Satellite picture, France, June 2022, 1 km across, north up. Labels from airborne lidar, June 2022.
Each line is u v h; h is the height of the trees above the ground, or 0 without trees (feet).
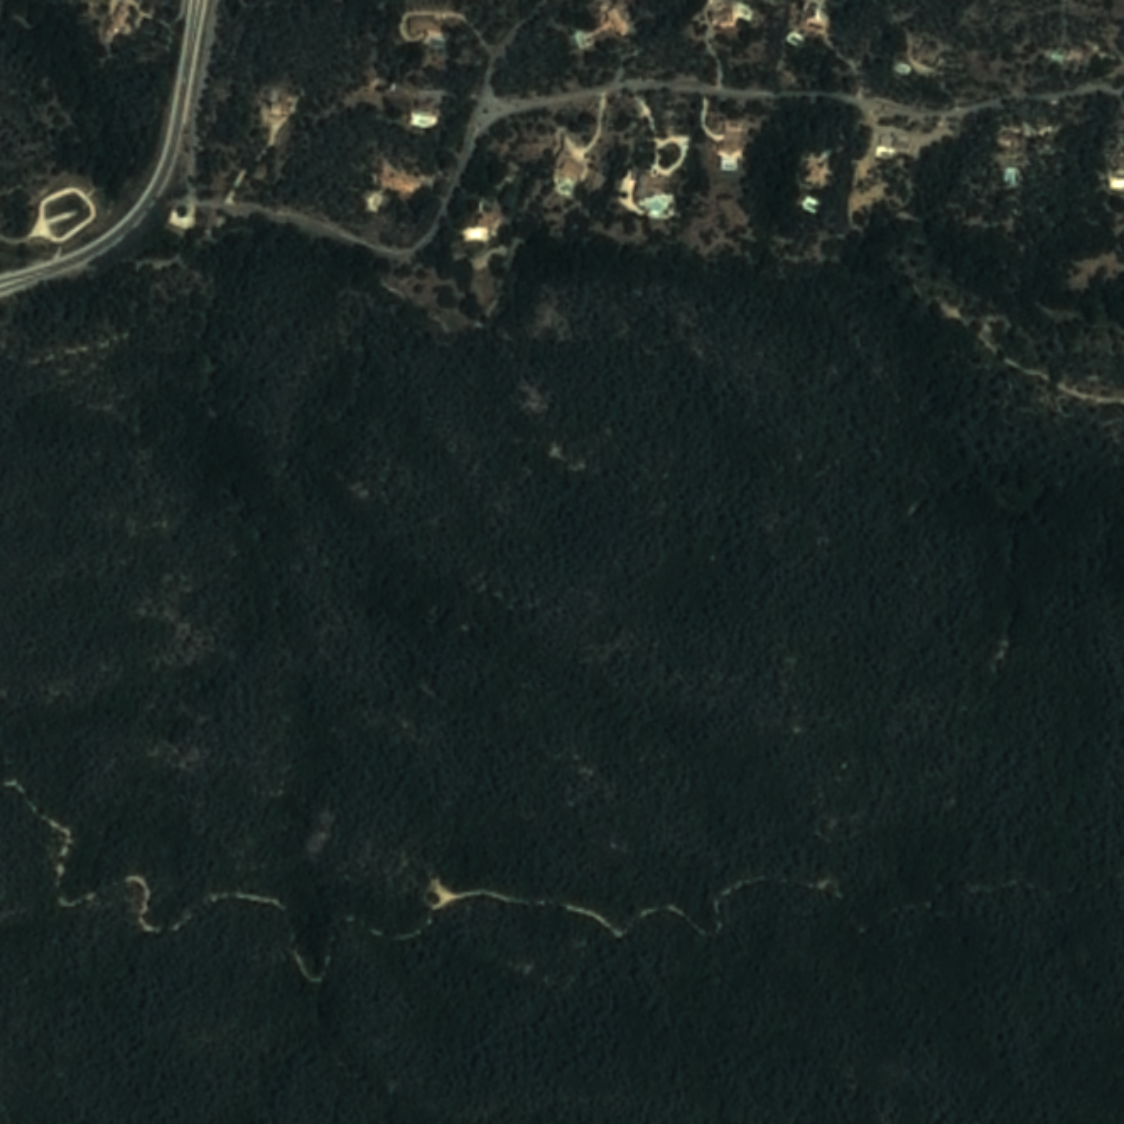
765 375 56
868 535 47
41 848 47
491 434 47
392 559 42
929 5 40
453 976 24
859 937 44
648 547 41
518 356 31
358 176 36
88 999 49
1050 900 42
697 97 25
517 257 31
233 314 27
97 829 30
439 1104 24
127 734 44
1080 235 36
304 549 42
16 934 36
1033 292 34
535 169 41
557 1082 19
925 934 32
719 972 19
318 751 37
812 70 39
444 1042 36
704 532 53
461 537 23
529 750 29
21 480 44
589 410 33
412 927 30
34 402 37
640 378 45
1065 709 38
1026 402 37
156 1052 19
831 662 21
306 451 55
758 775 32
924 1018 32
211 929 46
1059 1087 44
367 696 29
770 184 57
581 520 46
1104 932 54
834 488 39
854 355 38
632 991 63
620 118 27
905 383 28
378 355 48
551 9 29
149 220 23
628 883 18
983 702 24
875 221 36
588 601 39
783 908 50
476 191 38
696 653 36
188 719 23
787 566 50
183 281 19
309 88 27
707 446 37
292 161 28
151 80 39
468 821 26
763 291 25
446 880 32
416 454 26
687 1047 54
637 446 34
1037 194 58
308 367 44
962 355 24
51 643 44
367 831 43
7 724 55
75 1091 33
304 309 36
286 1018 22
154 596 28
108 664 37
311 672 19
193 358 49
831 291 25
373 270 23
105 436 18
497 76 35
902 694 47
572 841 29
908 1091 26
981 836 42
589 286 45
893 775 48
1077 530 58
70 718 21
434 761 24
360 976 31
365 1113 59
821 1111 46
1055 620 41
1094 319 36
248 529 49
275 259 54
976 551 32
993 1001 40
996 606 61
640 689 48
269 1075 49
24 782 28
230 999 49
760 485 35
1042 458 27
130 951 36
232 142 52
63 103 34
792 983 45
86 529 40
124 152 21
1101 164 26
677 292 55
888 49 26
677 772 21
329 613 45
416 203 46
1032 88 34
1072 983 45
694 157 23
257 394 23
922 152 28
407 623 49
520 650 20
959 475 63
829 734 22
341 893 34
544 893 45
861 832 31
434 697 28
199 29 0
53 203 0
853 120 52
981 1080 52
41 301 39
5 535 39
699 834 31
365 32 43
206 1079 42
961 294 17
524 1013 50
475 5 48
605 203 23
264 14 58
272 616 39
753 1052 33
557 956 44
